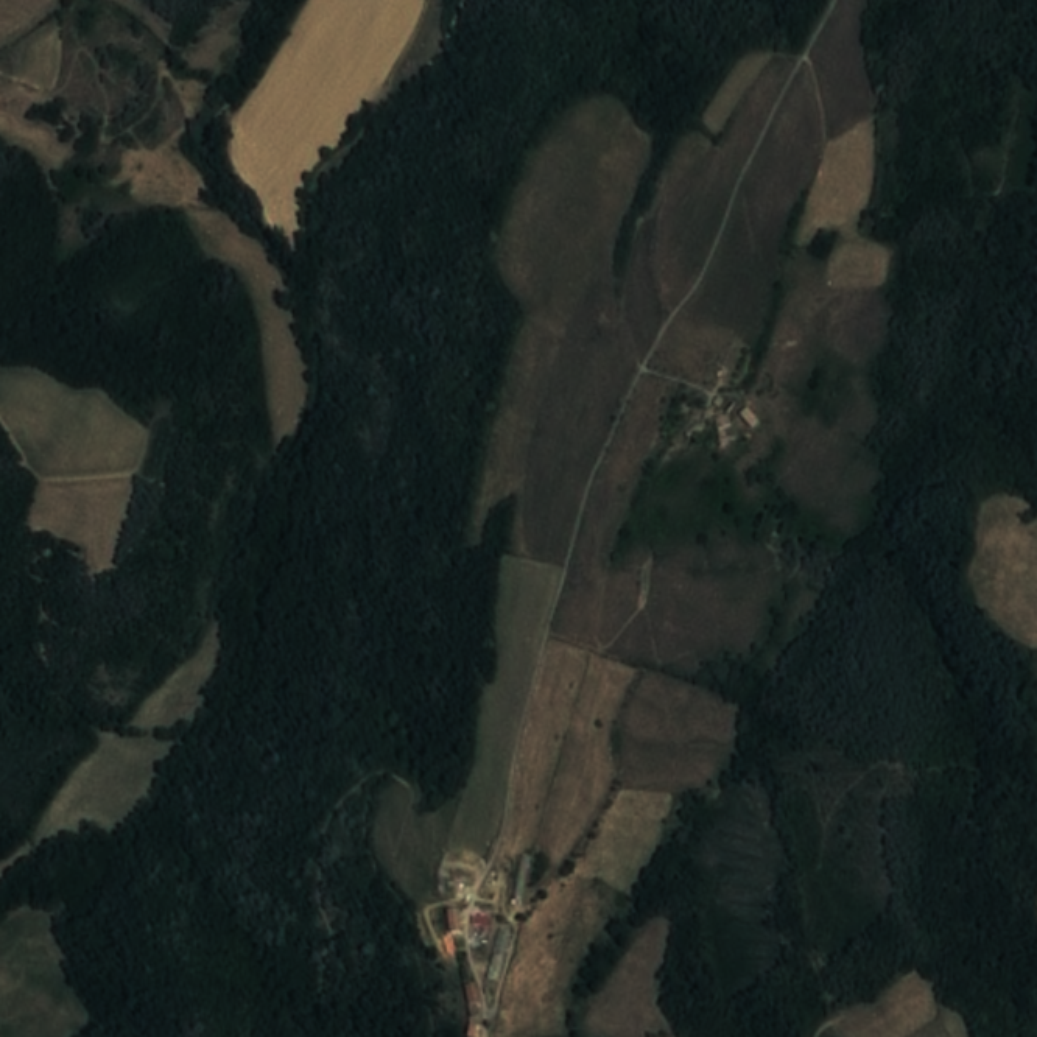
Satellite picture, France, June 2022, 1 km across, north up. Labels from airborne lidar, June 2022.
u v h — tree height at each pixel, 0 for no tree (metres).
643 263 0
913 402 12
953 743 17
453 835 0
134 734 15
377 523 9
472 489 14
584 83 15
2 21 0
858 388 0
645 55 14
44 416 0
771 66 0
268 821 12
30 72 0
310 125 0
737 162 0
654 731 0
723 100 0
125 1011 20
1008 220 20
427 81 11
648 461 9
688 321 0
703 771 0
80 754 10
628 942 14
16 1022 0
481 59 19
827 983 9
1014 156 0
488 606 14
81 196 0
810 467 0
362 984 6
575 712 0
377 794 7
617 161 0
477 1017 0
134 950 13
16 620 6
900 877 14
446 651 9
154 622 16
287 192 0
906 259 10
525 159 10
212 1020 13
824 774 15
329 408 17
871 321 0
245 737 17
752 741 19
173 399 10
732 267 0
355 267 6
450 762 19
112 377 18
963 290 19
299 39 0
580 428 0
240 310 7
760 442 0
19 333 22
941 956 13
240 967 15
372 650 14
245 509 19
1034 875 16
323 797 10
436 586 12
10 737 10
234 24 0
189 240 7
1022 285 17
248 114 0
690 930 14
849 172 0
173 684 0
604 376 0
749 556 0
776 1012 14
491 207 18
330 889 9
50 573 13
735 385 8
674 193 0
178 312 7
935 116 11
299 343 10
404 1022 9
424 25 0
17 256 8
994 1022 18
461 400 13
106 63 12
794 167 0
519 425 0
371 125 14
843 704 15
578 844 0
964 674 29
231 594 14
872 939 16
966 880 25
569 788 0
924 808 17
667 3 19
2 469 10
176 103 0
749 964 0
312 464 19
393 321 12
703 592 0
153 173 0
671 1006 16
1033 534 0
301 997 18
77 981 14
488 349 10
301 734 16
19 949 0
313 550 13
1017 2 18
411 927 9
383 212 9
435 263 15
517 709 0
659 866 23
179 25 6
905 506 27
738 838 0
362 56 0
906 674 15
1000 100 20
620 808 0
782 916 11
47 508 0
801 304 0
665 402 7
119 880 10
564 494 0
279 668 22
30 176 7
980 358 21
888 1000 0
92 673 6
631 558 0
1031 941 11
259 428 10
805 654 18
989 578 0
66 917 8
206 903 13
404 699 18
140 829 19
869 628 14
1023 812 17
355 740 11
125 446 0
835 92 0
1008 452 20
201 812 7
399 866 0
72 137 11
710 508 0
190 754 22
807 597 0
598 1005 0
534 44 11
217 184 14
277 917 13
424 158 6
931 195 13
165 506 16
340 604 12
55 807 0
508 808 0
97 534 0
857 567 16
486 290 11
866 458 0
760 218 0
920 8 22
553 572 0
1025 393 7
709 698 0
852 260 0
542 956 0
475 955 0
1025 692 15
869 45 14
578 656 0
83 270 11
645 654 0
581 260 0
